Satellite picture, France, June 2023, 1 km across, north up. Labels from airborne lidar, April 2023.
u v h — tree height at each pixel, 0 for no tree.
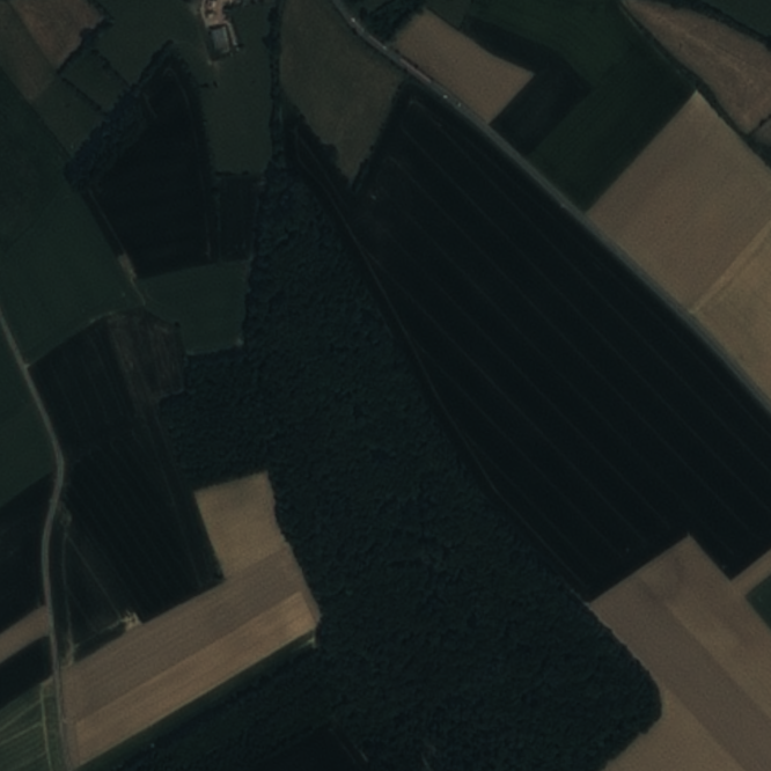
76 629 0
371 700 28
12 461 0
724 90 0
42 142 0
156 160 0
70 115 0
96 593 0
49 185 0
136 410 0
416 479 21
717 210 0
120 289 0
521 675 26
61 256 0
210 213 0
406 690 27
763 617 0
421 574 21
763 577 0
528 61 0
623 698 30
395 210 0
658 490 0
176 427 14
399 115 0
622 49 0
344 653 24
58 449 0
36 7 0
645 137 0
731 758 0
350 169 0
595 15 0
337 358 24
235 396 16
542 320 0
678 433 0
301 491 25
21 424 0
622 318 0
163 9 0
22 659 0
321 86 0
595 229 0
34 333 0
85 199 0
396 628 28
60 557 0
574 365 0
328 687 18
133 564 0
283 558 0
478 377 0
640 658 0
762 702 0
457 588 24
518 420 0
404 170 0
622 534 0
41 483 0
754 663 0
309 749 0
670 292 0
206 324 0
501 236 0
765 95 0
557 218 0
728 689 0
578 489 0
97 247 0
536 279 0
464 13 0
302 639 0
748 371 0
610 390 0
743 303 0
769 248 0
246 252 0
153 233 0
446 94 0
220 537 0
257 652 0
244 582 0
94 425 0
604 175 0
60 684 0
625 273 0
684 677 0
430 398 0
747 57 0
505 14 0
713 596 0
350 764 0
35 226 0
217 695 0
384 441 23
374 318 21
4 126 0
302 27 0
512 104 0
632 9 0
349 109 0
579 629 27
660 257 0
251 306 19
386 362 26
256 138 0
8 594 0
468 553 25
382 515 24
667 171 0
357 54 0
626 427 0
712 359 0
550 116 0
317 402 25
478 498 13
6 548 0
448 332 0
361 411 25
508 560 29
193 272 0
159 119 0
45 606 0
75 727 0
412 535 23
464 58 0
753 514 0
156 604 0
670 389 0
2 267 0
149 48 0
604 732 16
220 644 0
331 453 26
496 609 25
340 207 0
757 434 0
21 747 0
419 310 0
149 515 0
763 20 0
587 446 0
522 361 0
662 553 0
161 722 0
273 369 25
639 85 0
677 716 0
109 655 0
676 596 0
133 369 0
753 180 0
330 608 22
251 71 0
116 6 0
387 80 0
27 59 0
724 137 0
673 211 0
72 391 0
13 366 0
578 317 0
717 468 0
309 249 23
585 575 0
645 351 0
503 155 0
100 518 0
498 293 0
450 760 26
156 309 0
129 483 0
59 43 0
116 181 0
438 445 24
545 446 0
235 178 0
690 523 0
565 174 0
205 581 0
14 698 0
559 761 26
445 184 0
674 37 0
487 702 23
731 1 0
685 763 0
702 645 0
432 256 0
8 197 0
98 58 6
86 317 0
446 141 0
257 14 0
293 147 0
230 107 0
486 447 0
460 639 27
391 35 13
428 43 0
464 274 0
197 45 0
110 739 0
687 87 0
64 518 0
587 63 0
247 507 0
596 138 0
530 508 0
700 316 0
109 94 0
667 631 0
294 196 34
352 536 24
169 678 0
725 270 0
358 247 0
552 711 27
